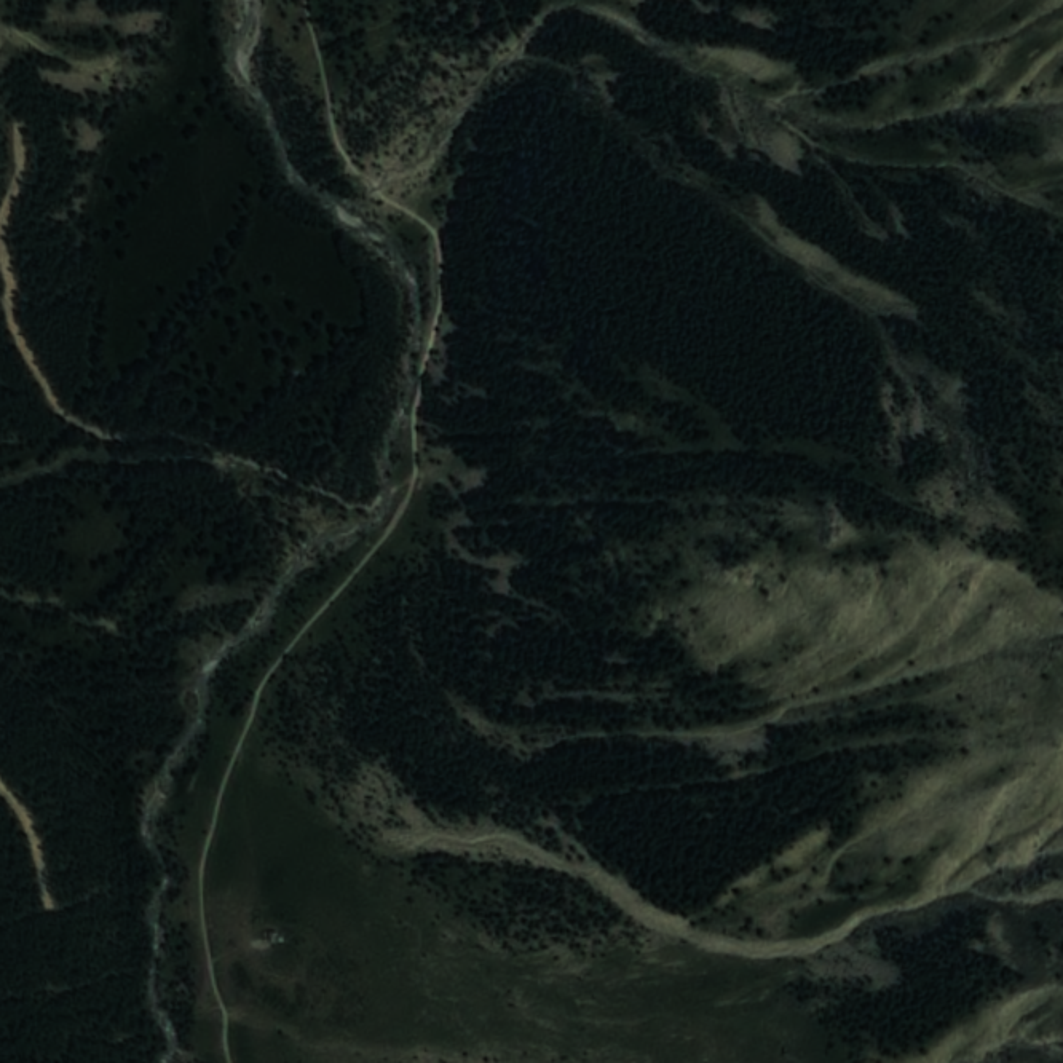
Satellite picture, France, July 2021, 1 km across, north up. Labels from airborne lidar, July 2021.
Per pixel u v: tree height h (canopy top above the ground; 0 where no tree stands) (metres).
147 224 0
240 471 0
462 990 0
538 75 6
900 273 7
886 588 0
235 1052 0
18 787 10
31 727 15
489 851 0
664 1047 0
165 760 6
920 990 10
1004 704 0
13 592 20
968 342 6
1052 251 13
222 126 0
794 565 0
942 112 0
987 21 0
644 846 12
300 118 6
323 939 0
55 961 12
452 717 11
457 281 16
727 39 12
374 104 7
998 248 7
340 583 0
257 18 0
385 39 0
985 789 0
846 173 13
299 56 0
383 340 17
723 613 0
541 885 7
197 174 0
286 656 7
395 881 0
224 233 0
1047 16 0
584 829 11
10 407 18
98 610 17
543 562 16
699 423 9
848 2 9
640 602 11
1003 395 10
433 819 10
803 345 15
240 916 0
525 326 10
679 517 8
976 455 0
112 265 0
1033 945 0
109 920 17
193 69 0
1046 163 0
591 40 14
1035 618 0
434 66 6
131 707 19
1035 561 7
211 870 0
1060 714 0
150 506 19
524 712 13
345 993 0
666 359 10
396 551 0
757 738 0
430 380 9
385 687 11
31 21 16
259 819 0
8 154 11
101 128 17
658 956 0
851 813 10
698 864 11
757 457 11
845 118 0
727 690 7
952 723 9
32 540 18
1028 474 8
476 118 13
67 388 21
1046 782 0
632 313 13
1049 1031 0
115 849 16
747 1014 0
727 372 11
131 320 0
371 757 7
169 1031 0
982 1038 0
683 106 9
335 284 0
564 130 17
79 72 0
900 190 12
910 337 12
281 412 21
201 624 11
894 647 0
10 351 18
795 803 9
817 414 13
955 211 8
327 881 0
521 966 0
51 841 16
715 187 7
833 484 8
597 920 8
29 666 9
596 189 17
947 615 0
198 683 0
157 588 9
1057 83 0
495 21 9
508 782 14
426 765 13
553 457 11
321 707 7
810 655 0
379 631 8
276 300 0
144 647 15
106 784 18
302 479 12
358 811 0
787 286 14
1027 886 0
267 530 9
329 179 7
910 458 11
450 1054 0
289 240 0
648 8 10
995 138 11
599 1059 0
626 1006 0
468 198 15
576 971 0
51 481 12
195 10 0
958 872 0
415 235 0
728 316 15
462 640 11
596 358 10
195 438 23
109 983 13
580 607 15
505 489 15
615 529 6
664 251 16
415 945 0
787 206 11
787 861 0
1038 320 10
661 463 8
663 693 7
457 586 14
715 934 0
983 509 0
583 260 13
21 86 15
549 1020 0
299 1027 0
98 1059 18
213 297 22
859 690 0
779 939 0
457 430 12
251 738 0
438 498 7
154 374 22
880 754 10
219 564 11
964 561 0
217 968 0
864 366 7
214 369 20
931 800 0
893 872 0
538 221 14
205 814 0
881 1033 10
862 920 0
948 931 10
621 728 16
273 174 10
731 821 14
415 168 0
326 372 22
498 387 18
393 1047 0
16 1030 20
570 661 13
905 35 0
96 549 0
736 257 15
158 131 0
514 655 15
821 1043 0
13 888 18
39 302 17
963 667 0
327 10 7
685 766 15
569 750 16
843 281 0
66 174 19
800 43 12
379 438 10
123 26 0
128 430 27
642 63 12
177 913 0
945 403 0
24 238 23
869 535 0
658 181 12
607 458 5
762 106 0
